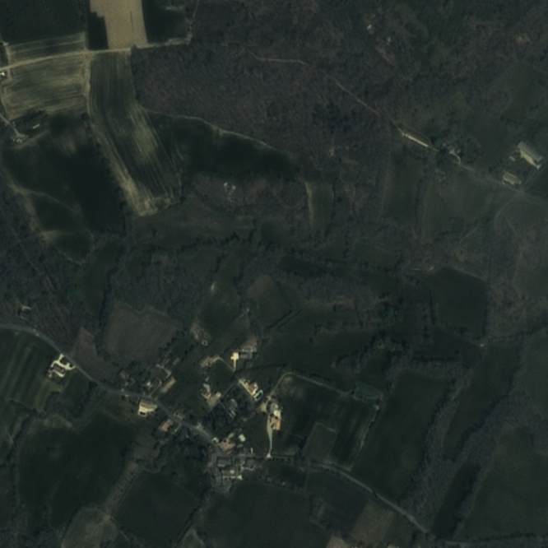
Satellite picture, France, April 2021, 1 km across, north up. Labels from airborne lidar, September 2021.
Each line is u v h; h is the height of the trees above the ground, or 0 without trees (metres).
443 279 0
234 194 0
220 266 13
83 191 0
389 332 0
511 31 13
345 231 21
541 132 11
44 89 0
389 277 15
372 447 0
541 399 0
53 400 14
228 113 17
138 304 20
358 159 6
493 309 18
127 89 0
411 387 0
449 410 23
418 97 21
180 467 0
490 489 0
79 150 0
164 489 0
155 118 0
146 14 0
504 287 11
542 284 0
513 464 0
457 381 18
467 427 0
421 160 9
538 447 18
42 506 0
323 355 0
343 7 8
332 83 13
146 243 0
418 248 13
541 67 18
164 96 14
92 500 0
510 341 10
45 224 0
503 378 0
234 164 0
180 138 0
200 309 10
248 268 20
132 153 0
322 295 15
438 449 15
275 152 0
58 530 0
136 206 0
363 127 11
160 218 0
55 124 0
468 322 0
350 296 16
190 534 0
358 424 0
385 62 11
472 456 19
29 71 0
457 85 14
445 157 19
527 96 0
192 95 15
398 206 0
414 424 0
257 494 0
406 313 0
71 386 0
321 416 0
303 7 7
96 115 0
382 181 16
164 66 15
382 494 0
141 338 0
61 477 0
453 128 19
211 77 15
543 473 0
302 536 0
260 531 0
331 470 7
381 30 8
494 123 0
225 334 0
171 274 9
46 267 21
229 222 0
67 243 0
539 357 0
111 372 0
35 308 20
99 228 0
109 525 0
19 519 14
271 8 19
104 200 0
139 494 0
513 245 14
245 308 12
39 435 0
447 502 0
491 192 0
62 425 0
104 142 0
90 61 0
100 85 0
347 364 10
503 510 0
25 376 0
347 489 0
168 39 0
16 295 20
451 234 8
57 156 0
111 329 0
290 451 0
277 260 20
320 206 0
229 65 10
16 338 0
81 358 0
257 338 11
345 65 9
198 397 0
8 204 17
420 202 15
